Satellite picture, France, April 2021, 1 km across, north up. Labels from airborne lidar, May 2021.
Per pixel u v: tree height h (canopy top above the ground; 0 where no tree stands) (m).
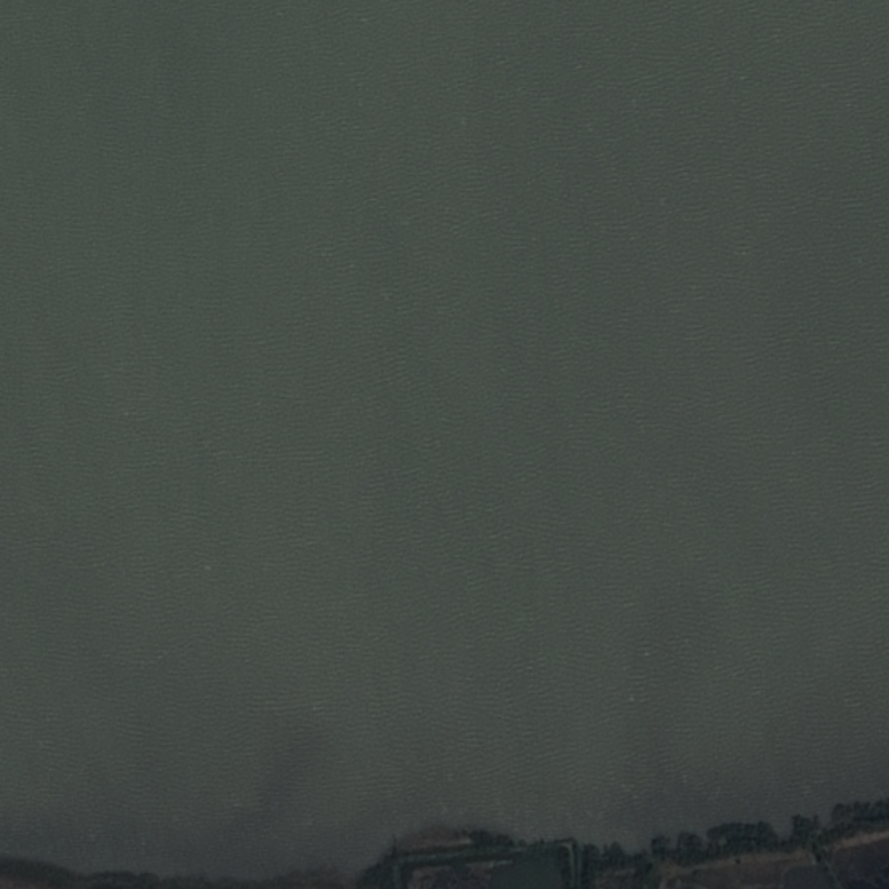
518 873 0
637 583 0
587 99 0
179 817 0
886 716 0
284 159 0
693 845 7
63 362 0
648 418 0
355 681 0
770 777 0
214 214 0
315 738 0
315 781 0
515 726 0
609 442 0
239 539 0
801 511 0
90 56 0
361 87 0
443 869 0
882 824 7
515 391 0
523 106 0
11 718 0
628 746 0
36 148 0
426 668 0
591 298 0
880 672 0
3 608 0
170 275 0
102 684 0
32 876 0
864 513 0
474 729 0
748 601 0
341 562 0
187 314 0
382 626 0
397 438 0
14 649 0
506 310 0
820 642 0
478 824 0
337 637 0
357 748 0
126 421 0
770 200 0
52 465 0
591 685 0
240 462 0
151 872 0
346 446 0
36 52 0
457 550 0
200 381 0
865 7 0
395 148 0
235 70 0
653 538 0
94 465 0
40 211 0
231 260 0
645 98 0
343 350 0
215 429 0
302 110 0
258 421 0
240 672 0
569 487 0
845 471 0
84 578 0
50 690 0
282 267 0
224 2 0
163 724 0
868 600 0
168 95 0
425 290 0
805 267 0
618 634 0
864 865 0
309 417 0
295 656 0
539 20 0
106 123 0
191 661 0
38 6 0
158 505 0
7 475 0
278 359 0
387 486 0
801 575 0
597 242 0
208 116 0
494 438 0
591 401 0
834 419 0
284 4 0
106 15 0
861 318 0
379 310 0
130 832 0
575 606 0
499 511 0
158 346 0
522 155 0
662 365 0
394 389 0
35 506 0
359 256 0
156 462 0
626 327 0
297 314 0
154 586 0
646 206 0
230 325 0
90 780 0
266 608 0
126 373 0
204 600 0
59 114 0
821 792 0
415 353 0
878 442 0
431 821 0
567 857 7
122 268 0
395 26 0
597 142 0
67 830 0
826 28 0
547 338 0
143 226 0
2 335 0
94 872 0
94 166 0
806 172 0
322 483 0
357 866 0
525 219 0
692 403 0
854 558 0
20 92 0
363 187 0
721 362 0
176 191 0
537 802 0
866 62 0
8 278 0
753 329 0
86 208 0
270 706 0
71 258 0
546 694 0
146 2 0
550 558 0
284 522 0
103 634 0
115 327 0
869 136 0
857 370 0
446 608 0
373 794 0
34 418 0
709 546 0
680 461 0
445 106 0
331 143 0
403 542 0
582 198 0
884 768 0
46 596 0
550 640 0
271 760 0
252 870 0
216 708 0
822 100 0
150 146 0
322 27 0
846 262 0
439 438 0
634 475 0
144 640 0
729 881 0
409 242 0
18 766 0
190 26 0
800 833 6
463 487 0
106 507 0
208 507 0
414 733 0
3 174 0
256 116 0
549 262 0
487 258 0
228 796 0
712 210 0
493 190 0
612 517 0
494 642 0
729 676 0
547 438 0
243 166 0
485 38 0
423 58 0
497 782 0
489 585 0
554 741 0
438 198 0
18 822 0
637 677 0
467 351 0
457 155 0
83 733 0
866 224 0
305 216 0
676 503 0
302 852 0
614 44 0
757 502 0
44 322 0
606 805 0
